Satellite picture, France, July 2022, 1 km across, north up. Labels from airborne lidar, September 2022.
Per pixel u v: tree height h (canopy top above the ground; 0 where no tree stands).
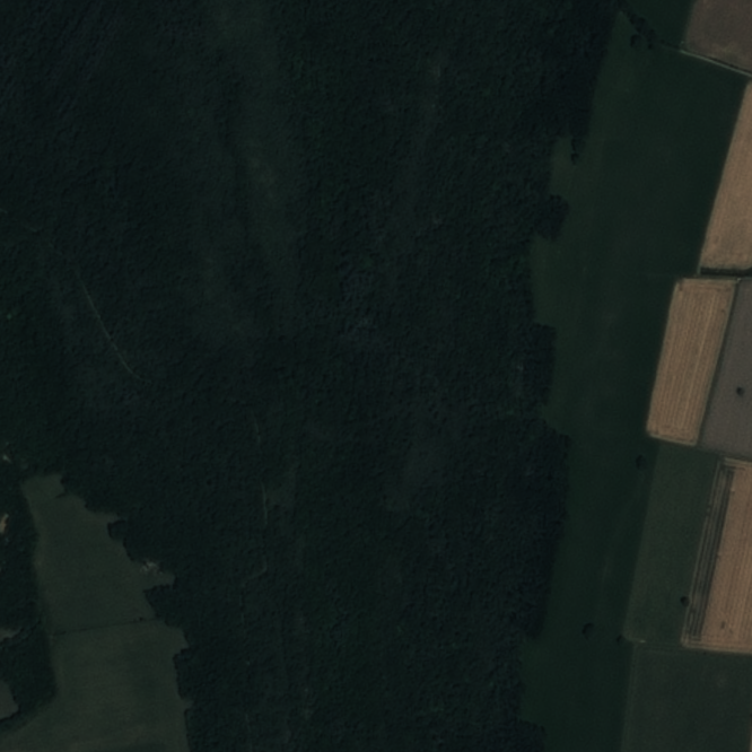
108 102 8
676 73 0
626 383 0
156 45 7
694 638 0
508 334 18
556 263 0
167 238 15
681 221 0
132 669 0
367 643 13
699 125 0
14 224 10
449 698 14
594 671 0
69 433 13
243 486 11
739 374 0
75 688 0
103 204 7
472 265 17
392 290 6
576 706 0
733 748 0
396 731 14
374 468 14
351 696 13
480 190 14
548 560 19
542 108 20
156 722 0
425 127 9
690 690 0
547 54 20
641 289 0
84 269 8
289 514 7
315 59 18
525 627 14
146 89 7
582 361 0
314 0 19
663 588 0
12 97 10
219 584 12
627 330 0
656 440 0
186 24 13
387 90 9
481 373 14
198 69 5
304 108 7
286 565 7
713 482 0
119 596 0
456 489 15
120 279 11
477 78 17
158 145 6
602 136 0
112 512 11
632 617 0
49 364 12
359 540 17
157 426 9
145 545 15
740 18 0
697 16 0
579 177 0
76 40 16
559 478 25
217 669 6
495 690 12
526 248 22
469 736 12
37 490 0
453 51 10
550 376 21
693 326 0
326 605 11
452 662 17
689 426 0
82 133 7
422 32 11
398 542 19
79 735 0
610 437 0
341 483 15
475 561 20
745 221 0
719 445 0
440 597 13
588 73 28
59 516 0
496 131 11
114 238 6
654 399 0
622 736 0
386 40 17
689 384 0
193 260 9
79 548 0
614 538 0
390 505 15
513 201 19
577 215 0
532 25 21
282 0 12
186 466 12
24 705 15
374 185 16
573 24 22
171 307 6
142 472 10
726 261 0
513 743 26
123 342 6
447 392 10
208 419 11
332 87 19
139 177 14
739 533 0
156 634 0
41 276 12
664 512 0
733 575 0
